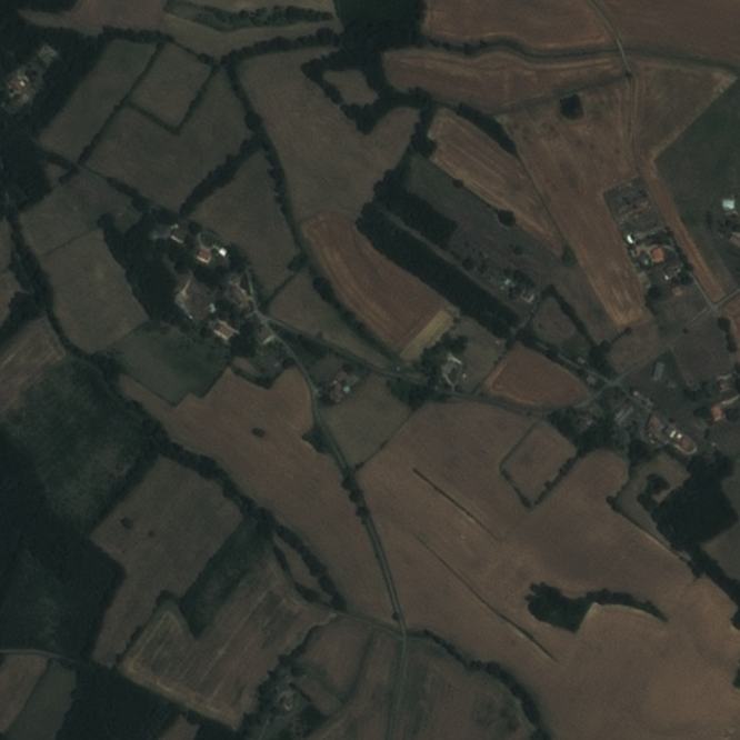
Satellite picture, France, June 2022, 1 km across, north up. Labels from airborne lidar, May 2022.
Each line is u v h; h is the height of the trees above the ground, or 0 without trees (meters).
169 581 0
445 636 0
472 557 0
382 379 0
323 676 0
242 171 0
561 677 0
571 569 0
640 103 0
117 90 0
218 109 0
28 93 0
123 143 0
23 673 0
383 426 0
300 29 0
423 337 0
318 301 0
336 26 0
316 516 0
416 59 0
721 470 15
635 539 0
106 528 0
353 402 0
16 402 0
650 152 0
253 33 0
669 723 0
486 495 0
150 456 14
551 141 0
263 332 0
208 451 0
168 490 0
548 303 0
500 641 0
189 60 0
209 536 0
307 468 0
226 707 0
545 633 0
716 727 0
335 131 0
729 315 0
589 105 0
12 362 0
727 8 0
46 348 0
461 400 0
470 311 11
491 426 0
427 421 0
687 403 0
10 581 10
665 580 0
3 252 0
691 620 0
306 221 0
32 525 20
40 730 0
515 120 0
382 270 0
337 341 0
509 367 0
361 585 0
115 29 13
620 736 0
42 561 15
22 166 18
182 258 17
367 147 0
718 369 0
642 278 0
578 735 0
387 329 0
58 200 0
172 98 0
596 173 0
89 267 0
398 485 0
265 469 0
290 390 0
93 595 6
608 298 0
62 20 0
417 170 0
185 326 10
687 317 0
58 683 0
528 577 0
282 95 0
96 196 0
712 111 0
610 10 0
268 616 0
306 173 0
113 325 0
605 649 0
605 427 6
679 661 0
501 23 0
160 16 0
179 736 0
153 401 0
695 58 0
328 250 0
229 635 0
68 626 7
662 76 0
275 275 0
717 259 0
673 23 0
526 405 0
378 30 15
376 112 10
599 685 0
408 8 7
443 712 0
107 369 13
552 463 0
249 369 0
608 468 0
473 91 0
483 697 0
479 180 0
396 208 16
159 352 0
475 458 0
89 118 0
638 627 0
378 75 16
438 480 0
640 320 0
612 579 0
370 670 0
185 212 12
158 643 0
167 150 0
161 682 0
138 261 17
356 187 0
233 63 10
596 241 0
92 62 13
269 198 0
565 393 0
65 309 0
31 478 20
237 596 0
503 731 0
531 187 0
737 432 0
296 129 0
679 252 11
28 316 18
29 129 9
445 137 0
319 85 13
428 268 13
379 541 0
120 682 14
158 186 0
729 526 9
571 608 11
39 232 0
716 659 0
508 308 7
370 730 0
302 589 14
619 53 0
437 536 0
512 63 0
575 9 0
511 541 0
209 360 6
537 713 26
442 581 0
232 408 0
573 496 0
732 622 8
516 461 0
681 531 13
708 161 0
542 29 0
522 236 0
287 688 0
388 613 0
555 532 0
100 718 13
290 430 0
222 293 8
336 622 0
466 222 0
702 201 0
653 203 0
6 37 18
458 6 0
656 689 0
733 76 0
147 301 15
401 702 0
